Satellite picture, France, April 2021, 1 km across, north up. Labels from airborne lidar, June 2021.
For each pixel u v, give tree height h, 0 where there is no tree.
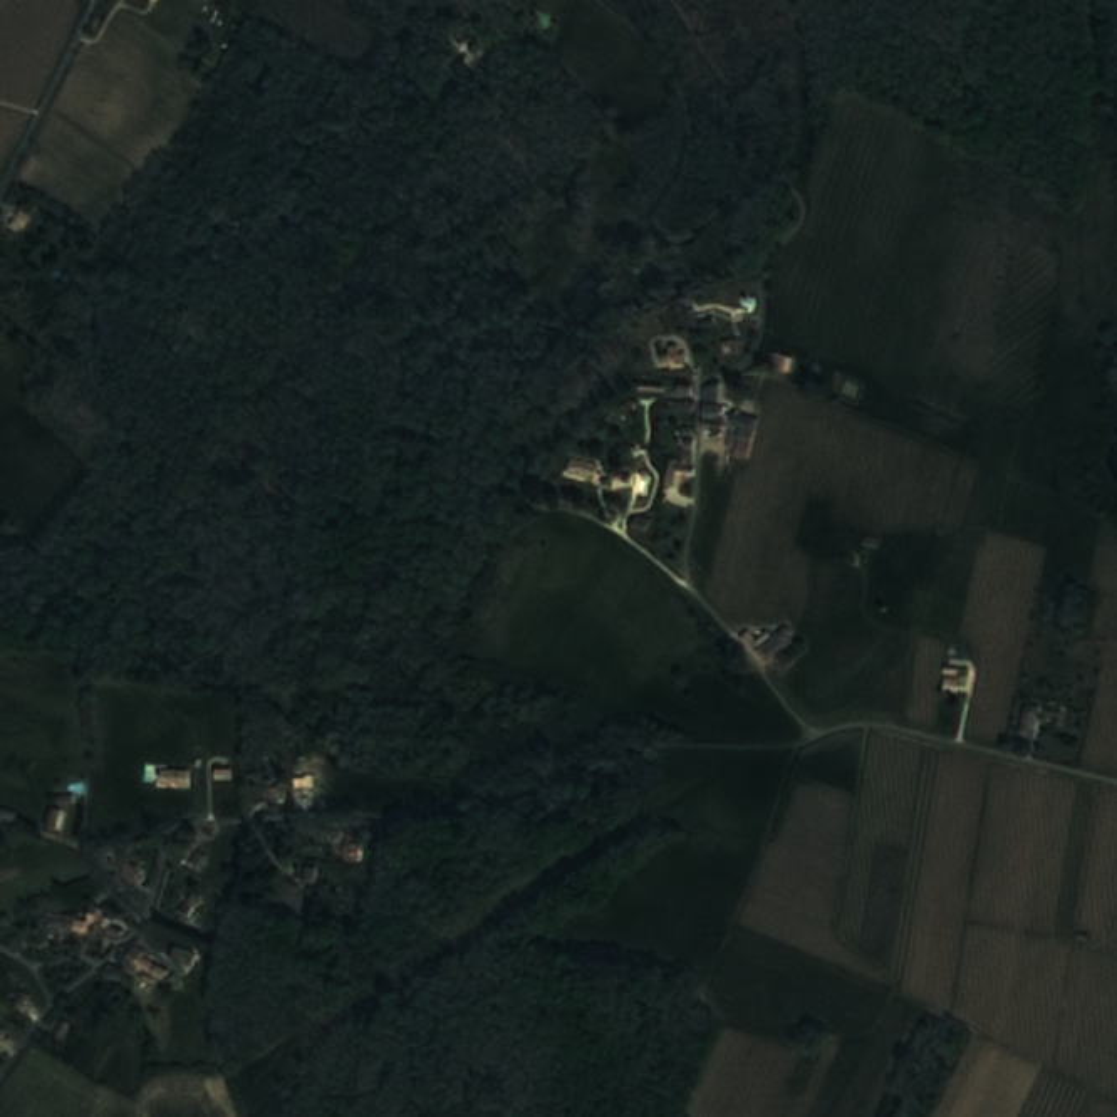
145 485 12
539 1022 25
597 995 23
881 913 0
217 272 24
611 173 0
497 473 23
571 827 22
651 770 18
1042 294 0
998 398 0
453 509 23
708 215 15
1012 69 24
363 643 22
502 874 21
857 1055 0
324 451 22
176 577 13
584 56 0
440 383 23
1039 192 18
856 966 0
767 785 0
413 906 19
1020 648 0
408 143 14
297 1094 12
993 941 0
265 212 18
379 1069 20
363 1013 12
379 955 18
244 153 10
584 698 0
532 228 17
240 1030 12
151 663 8
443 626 21
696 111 8
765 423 0
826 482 0
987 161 16
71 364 29
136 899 20
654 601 0
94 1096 0
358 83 22
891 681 0
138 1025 7
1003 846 0
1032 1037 0
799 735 0
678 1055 20
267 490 22
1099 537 0
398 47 24
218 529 21
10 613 33
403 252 15
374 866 11
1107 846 0
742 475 0
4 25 0
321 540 28
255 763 11
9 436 0
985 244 0
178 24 0
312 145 12
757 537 0
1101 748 0
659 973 22
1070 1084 0
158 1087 0
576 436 10
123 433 24
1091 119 21
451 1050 13
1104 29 25
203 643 29
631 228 0
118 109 0
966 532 0
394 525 25
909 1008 0
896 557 0
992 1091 0
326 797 0
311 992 12
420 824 26
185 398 20
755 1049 0
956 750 0
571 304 16
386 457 23
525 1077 22
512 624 0
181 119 0
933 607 0
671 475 0
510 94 25
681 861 0
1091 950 0
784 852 0
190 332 22
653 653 0
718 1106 0
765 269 20
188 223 16
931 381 0
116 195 0
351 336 20
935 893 0
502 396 26
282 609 8
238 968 16
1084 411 0
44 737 0
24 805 0
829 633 0
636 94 0
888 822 0
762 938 0
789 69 15
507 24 22
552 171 13
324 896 10
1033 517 0
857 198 0
